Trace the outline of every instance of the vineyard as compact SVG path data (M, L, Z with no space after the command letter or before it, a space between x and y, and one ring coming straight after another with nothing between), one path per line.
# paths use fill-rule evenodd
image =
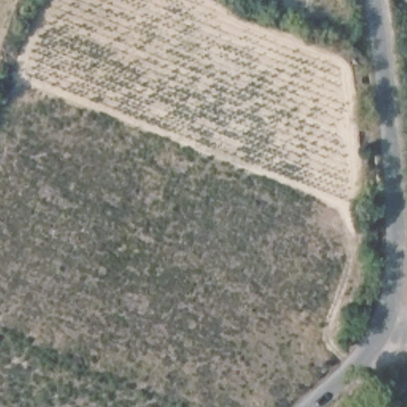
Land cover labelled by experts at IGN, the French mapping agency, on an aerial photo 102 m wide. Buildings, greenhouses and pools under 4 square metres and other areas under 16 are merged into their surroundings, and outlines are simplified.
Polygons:
M16 16L16 5L19 0L0 0L0 51L8 33L10 19Z
M25 83L29 83L32 79L46 81L51 76L60 79L67 79L70 76L83 78L83 83L70 83L64 86L54 81L51 86L97 103L103 102L103 97L108 91L116 92L121 87L126 87L126 95L111 97L113 102L118 103L116 110L161 129L175 132L188 140L199 141L208 148L215 148L216 143L221 143L224 148L232 149L234 157L238 151L243 151L245 157L242 157L242 161L250 162L248 169L245 170L250 175L267 176L278 183L316 197L323 191L329 196L345 200L350 205L351 200L361 191L358 180L364 162L359 156L355 83L347 60L329 49L308 45L293 33L267 29L253 22L243 21L215 0L52 0L51 6L45 11L43 25L33 32L17 62L19 75Z
M304 21L305 17L312 14L312 10L308 10L308 5L312 5L315 0L280 0L285 3L286 10L293 11L299 16L300 21Z
M25 86L24 95L21 95L25 103L38 103L46 97L43 92L29 84Z

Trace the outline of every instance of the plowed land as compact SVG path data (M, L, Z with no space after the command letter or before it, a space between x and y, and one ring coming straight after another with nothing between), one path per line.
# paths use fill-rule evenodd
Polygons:
M46 97L57 97L76 107L110 114L126 126L140 127L145 132L172 138L181 146L189 146L203 156L213 156L216 161L229 162L235 169L245 170L248 169L250 162L242 161L242 157L245 157L243 151L238 151L234 157L232 149L224 148L221 143L216 143L215 148L208 148L199 141L188 140L175 132L161 129L116 110L118 103L113 102L111 97L126 95L126 87L121 87L116 92L108 91L103 97L103 102L97 103L51 86L54 81L64 86L70 83L83 83L83 78L70 76L67 79L60 79L51 76L46 81L32 79L29 83L29 84L43 92Z
M342 329L340 310L351 304L353 299L345 294L345 291L355 261L358 259L359 246L364 237L356 232L350 205L345 200L329 196L323 191L316 197L316 199L328 203L329 207L335 208L342 216L347 227L342 243L347 250L347 262L340 273L339 285L335 288L334 294L329 296L329 308L328 324L323 328L323 342L334 355L340 347L337 337Z

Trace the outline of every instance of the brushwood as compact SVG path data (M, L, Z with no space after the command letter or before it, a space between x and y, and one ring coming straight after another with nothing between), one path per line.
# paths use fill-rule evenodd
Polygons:
M315 390L323 378L331 374L335 366L339 366L339 358L334 355L320 366L315 362L308 362L312 382L308 385L300 383L291 401L288 401L289 383L285 383L285 378L280 378L269 391L275 401L273 407L294 407L308 391Z
M339 285L340 273L347 262L347 250L342 243L337 242L335 237L323 237L318 224L305 223L307 218L312 216L312 203L316 199L316 197L278 183L267 176L250 175L245 170L235 169L229 162L216 161L213 156L203 156L189 146L181 146L172 138L145 132L140 127L126 126L110 114L76 107L57 97L46 97L38 103L25 103L21 95L24 95L25 86L29 84L29 83L25 83L19 75L17 62L0 62L0 407L242 407L229 397L231 391L235 391L235 386L213 385L215 380L211 374L213 356L231 359L231 362L237 364L235 356L238 356L245 366L251 364L251 359L243 355L243 351L235 351L235 342L221 339L221 334L237 335L250 332L248 316L235 313L240 307L240 296L238 293L227 291L227 283L250 285L253 293L264 300L264 304L253 305L253 313L269 312L278 315L275 308L277 300L286 305L289 312L316 312L320 307L329 308L329 296L334 294L335 288ZM138 310L130 310L122 302L124 294L127 293L145 294L154 315L140 315ZM153 350L157 359L161 359L165 366L170 366L170 356L161 358L161 351L169 347L175 347L176 359L183 364L186 364L188 356L192 356L192 362L205 361L205 366L196 370L199 377L196 388L189 390L186 386L186 375L181 377L175 370L167 374L169 380L165 382L164 394L138 388L138 382L149 382L149 375L138 374L143 364L135 359L138 353L148 355L148 350Z

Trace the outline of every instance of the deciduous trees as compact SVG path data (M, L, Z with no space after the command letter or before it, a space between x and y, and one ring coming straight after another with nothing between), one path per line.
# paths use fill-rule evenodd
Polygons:
M215 0L243 21L253 22L267 29L293 33L308 45L329 49L347 60L355 83L359 156L364 162L358 180L361 191L351 200L350 205L356 232L364 237L359 246L358 259L362 262L364 280L359 286L359 293L353 299L351 304L340 310L342 329L337 337L340 347L350 353L353 345L364 345L369 342L370 334L378 334L385 329L388 308L380 304L380 300L383 296L394 293L394 289L397 288L397 280L402 278L401 266L404 261L404 253L399 250L393 243L386 242L386 227L390 224L382 218L385 210L380 207L385 202L382 178L378 175L377 165L378 156L385 153L380 134L382 122L378 121L378 113L372 100L377 84L369 81L370 73L374 70L367 67L367 60L362 57L369 52L370 40L369 25L361 25L359 8L353 11L350 19L345 22L351 30L347 41L343 41L334 30L308 30L304 21L300 21L299 16L293 11L286 10L285 3L280 0Z
M401 65L399 79L407 83L407 0L391 0L396 52Z
M343 374L343 382L343 385L348 385L351 380L362 378L362 385L355 390L356 401L351 402L351 407L407 407L407 388L397 383L393 375L382 375L375 367L351 364Z
M43 25L45 11L51 6L52 0L19 0L16 5L16 16L10 19L8 33L0 51L0 62L17 62L33 32Z

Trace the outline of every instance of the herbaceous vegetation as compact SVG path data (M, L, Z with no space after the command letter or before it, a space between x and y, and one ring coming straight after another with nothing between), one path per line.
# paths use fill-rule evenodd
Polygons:
M393 375L397 383L407 388L407 351L383 353L375 367L382 375Z
M138 310L140 315L154 315L145 294L127 293L124 294L122 302L130 310Z
M405 237L404 246L399 250L404 253L404 261L401 266L402 278L397 280L397 288L402 293L402 304L407 305L407 83L399 79L401 65L396 52L391 0L382 0L382 6L377 11L382 16L380 25L388 35L390 49L386 60L393 76L391 86L396 87L396 100L399 103L399 113L394 118L394 126L401 165L399 170L404 197L401 216L404 219Z
M335 208L329 207L328 203L316 199L312 203L312 216L307 218L305 223L318 224L323 237L335 237L337 242L342 243L347 227L342 216Z
M188 356L186 364L183 364L176 359L175 347L169 347L161 351L161 358L170 356L170 366L165 366L161 359L157 359L153 350L148 350L148 355L138 353L135 359L143 364L138 374L149 375L149 382L138 382L138 388L164 394L165 382L169 380L167 374L175 370L181 377L186 375L186 386L189 390L196 388L199 377L196 370L205 366L205 361L192 362L192 356Z
M348 385L343 385L343 382L339 385L342 390L339 397L334 399L332 393L324 393L318 399L320 407L351 407L351 402L356 401L355 390L362 385L362 378L351 380Z
M345 22L350 19L353 11L359 8L356 5L358 0L315 0L312 5L308 5L308 10L312 10L312 14L305 17L304 21L308 30L334 30L343 41L347 41L351 30Z
M229 397L242 407L273 407L275 401L269 391L280 378L285 378L285 383L289 383L288 401L291 401L300 383L308 385L312 382L308 362L315 362L320 366L334 355L323 342L323 328L328 324L329 308L320 307L316 312L289 312L286 305L277 300L275 308L278 315L269 312L253 313L253 305L264 304L264 300L253 293L250 285L227 283L227 291L238 293L240 296L240 307L235 313L248 316L250 332L237 335L221 334L221 339L235 342L235 351L243 351L243 355L251 359L251 364L245 366L238 356L235 356L237 364L231 362L231 359L213 356L211 374L215 380L213 385L235 386L235 391L231 391Z
M358 259L355 261L345 291L345 294L353 299L359 293L359 286L364 280L362 262Z

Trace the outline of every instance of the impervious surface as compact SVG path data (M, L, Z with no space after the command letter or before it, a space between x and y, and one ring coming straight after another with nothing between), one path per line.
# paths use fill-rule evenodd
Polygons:
M407 351L407 305L402 304L402 293L397 288L394 289L394 293L383 296L380 300L380 304L388 308L385 329L378 334L370 334L369 342L364 345L353 345L350 353L340 347L334 355L339 358L339 366L335 366L331 374L323 378L315 390L308 391L294 407L320 407L318 399L324 393L332 393L334 399L339 397L342 390L339 385L343 382L343 374L351 364L375 367L383 353Z
M399 113L399 103L396 100L396 87L391 86L393 76L386 60L390 49L388 35L380 25L382 16L377 11L382 6L382 0L358 0L356 5L359 8L361 25L369 25L370 40L369 52L362 57L367 60L367 67L374 70L370 73L369 81L377 84L372 100L378 113L378 121L382 122L380 134L385 153L378 156L377 165L378 175L382 178L385 202L380 207L385 210L382 218L390 224L386 227L386 242L393 243L399 250L404 246L405 237L404 219L401 216L404 197L399 170L401 165L394 126L394 118Z

